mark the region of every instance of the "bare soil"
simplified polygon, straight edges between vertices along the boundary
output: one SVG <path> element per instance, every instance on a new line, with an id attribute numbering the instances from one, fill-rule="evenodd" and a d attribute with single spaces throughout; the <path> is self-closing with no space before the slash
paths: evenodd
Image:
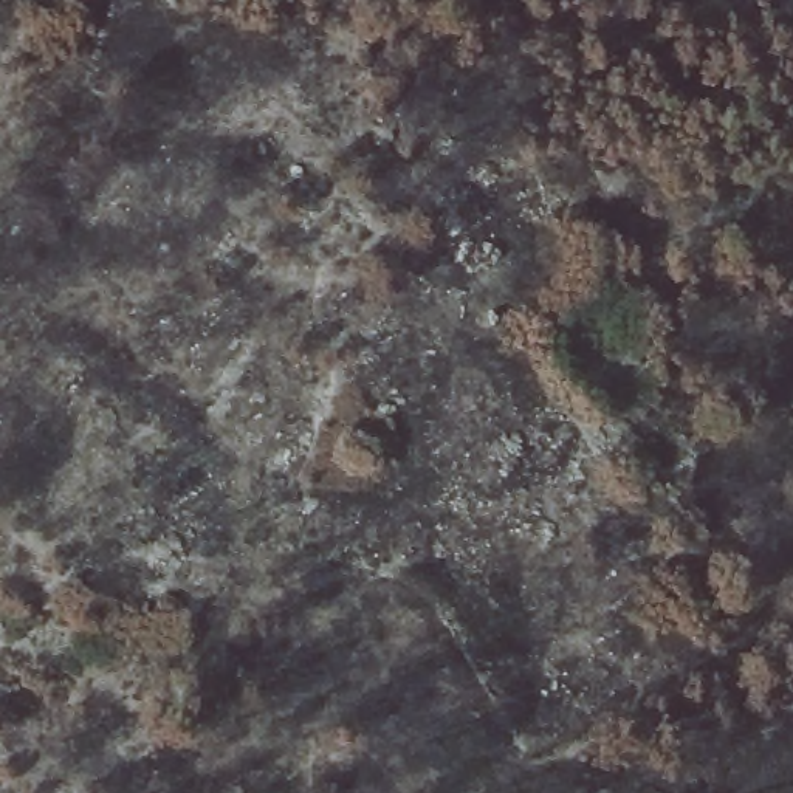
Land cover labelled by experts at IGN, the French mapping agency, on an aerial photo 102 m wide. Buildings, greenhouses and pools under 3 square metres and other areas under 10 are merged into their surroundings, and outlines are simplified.
<path id="1" fill-rule="evenodd" d="M 604 576 L 595 576 L 592 527 L 601 514 L 641 502 L 638 462 L 632 449 L 635 437 L 620 421 L 613 421 L 613 415 L 604 415 L 582 393 L 579 384 L 573 384 L 554 366 L 554 359 L 533 372 L 527 356 L 505 353 L 502 344 L 489 335 L 499 313 L 520 310 L 527 291 L 551 285 L 554 269 L 561 263 L 551 229 L 520 217 L 524 208 L 539 208 L 539 192 L 520 201 L 514 198 L 514 192 L 530 186 L 530 180 L 524 170 L 502 167 L 505 158 L 514 158 L 517 152 L 499 139 L 502 133 L 496 127 L 493 90 L 480 81 L 474 68 L 440 68 L 418 108 L 400 108 L 384 115 L 378 77 L 369 71 L 369 59 L 362 56 L 369 50 L 366 31 L 350 34 L 344 28 L 350 25 L 350 3 L 344 0 L 273 0 L 276 15 L 266 31 L 239 31 L 229 22 L 214 19 L 211 12 L 173 12 L 158 0 L 0 0 L 0 582 L 12 573 L 34 576 L 43 585 L 43 592 L 50 592 L 77 576 L 81 585 L 93 592 L 87 620 L 124 613 L 127 604 L 139 613 L 155 613 L 155 595 L 167 595 L 177 610 L 186 610 L 192 616 L 189 647 L 198 660 L 198 685 L 192 688 L 198 694 L 198 706 L 183 709 L 183 725 L 164 719 L 152 697 L 136 700 L 136 691 L 121 685 L 124 678 L 139 675 L 136 663 L 127 663 L 115 672 L 105 672 L 102 666 L 84 669 L 74 678 L 68 700 L 40 703 L 40 697 L 31 691 L 0 694 L 0 793 L 793 793 L 793 712 L 759 716 L 750 706 L 747 688 L 740 685 L 743 657 L 753 654 L 756 638 L 771 623 L 771 601 L 743 610 L 737 629 L 731 629 L 722 638 L 722 651 L 709 654 L 694 647 L 678 632 L 657 635 L 657 641 L 647 641 L 638 626 L 629 623 L 632 613 L 641 610 L 632 592 L 641 573 L 607 570 Z"/>
<path id="2" fill-rule="evenodd" d="M 740 434 L 731 443 L 719 446 L 700 440 L 694 486 L 678 499 L 685 508 L 700 508 L 706 514 L 706 539 L 716 551 L 750 558 L 747 579 L 753 579 L 756 585 L 778 585 L 784 576 L 793 576 L 793 403 L 778 403 L 768 418 L 756 418 L 747 427 L 740 424 Z"/>

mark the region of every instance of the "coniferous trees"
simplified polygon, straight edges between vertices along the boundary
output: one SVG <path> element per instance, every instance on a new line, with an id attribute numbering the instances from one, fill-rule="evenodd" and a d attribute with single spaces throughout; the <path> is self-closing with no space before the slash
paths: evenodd
<path id="1" fill-rule="evenodd" d="M 211 12 L 214 19 L 229 22 L 239 31 L 266 31 L 276 15 L 273 0 L 158 0 L 173 12 Z"/>
<path id="2" fill-rule="evenodd" d="M 607 570 L 641 573 L 632 592 L 641 610 L 632 613 L 629 623 L 638 626 L 647 641 L 657 641 L 657 635 L 678 632 L 694 647 L 709 654 L 722 651 L 722 638 L 731 629 L 737 629 L 743 610 L 771 601 L 771 623 L 756 638 L 753 654 L 743 657 L 740 685 L 747 688 L 750 706 L 759 716 L 793 712 L 793 576 L 784 576 L 778 585 L 756 585 L 753 579 L 747 579 L 750 558 L 716 551 L 706 539 L 706 514 L 700 508 L 685 508 L 678 499 L 694 486 L 700 440 L 719 446 L 731 443 L 740 434 L 740 424 L 747 427 L 756 418 L 768 418 L 778 403 L 793 403 L 793 0 L 344 0 L 350 3 L 350 25 L 344 28 L 350 34 L 366 31 L 369 50 L 362 56 L 369 59 L 369 71 L 378 77 L 384 115 L 400 108 L 418 108 L 440 68 L 474 68 L 480 81 L 493 90 L 496 127 L 502 133 L 499 139 L 517 152 L 514 158 L 505 158 L 502 167 L 524 170 L 530 180 L 530 186 L 514 192 L 514 198 L 520 201 L 539 192 L 539 208 L 524 208 L 520 217 L 551 229 L 561 263 L 554 269 L 551 285 L 527 291 L 520 310 L 499 313 L 489 335 L 502 344 L 505 353 L 527 356 L 533 372 L 554 359 L 554 366 L 573 384 L 579 384 L 582 393 L 604 415 L 613 415 L 613 421 L 620 421 L 635 437 L 632 449 L 638 462 L 641 502 L 601 514 L 592 527 L 595 576 L 604 576 Z"/>

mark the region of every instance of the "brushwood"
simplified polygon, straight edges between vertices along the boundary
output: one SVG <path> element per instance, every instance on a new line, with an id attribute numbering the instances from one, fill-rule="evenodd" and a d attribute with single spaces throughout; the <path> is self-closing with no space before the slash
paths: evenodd
<path id="1" fill-rule="evenodd" d="M 186 610 L 177 610 L 167 595 L 155 595 L 155 613 L 139 613 L 127 604 L 124 613 L 87 620 L 93 592 L 81 585 L 77 576 L 50 592 L 43 592 L 43 585 L 34 576 L 12 573 L 0 582 L 0 694 L 31 691 L 40 697 L 40 703 L 68 700 L 74 678 L 84 669 L 102 666 L 105 672 L 115 672 L 127 663 L 136 663 L 139 675 L 124 678 L 121 685 L 136 691 L 136 700 L 152 697 L 164 719 L 183 725 L 183 709 L 198 706 L 198 694 L 192 688 L 198 685 L 198 660 L 189 647 L 192 616 Z"/>

